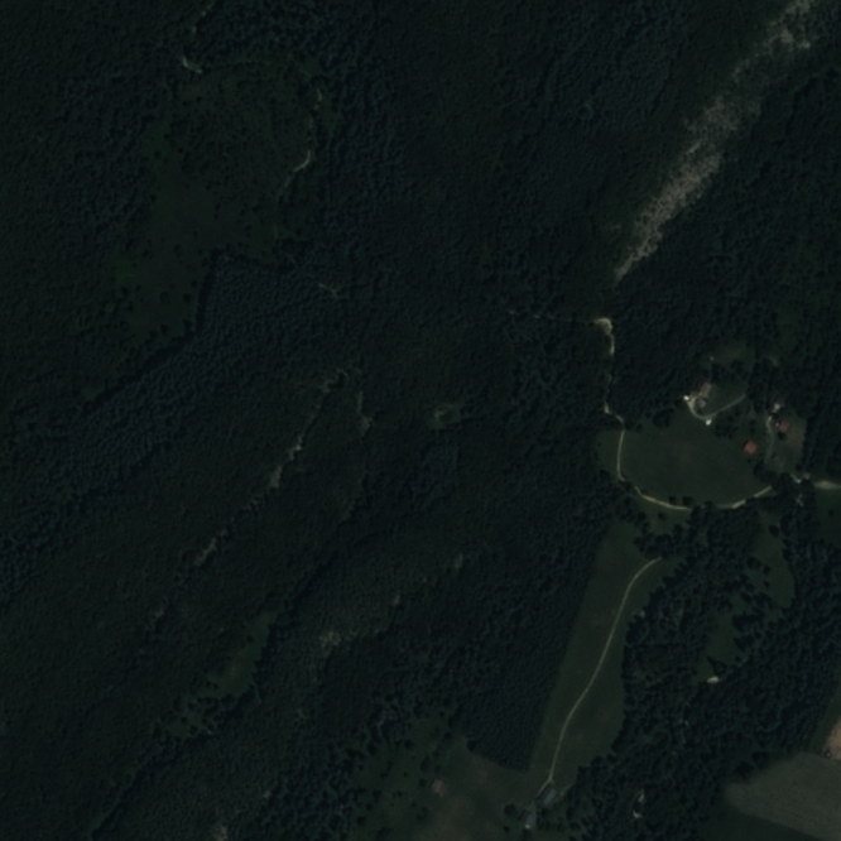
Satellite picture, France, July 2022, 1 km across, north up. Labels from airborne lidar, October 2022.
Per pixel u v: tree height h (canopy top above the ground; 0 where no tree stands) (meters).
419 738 0
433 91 13
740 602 0
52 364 18
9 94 15
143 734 19
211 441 17
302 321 23
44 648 18
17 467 20
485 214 21
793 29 10
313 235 24
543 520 25
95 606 16
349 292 10
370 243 25
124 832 21
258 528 20
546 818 12
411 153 25
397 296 20
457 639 22
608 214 13
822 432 17
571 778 0
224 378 20
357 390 20
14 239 19
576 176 18
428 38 24
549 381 26
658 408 20
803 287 6
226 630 9
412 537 15
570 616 26
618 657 0
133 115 18
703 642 33
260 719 23
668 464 0
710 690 20
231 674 0
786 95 21
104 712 21
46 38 19
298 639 16
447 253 23
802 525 20
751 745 19
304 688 15
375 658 22
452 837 0
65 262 17
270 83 6
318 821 29
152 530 13
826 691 30
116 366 15
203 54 21
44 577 17
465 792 0
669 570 0
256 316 24
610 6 14
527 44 19
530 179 23
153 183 15
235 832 19
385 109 22
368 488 17
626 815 25
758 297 21
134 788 16
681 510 0
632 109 31
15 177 22
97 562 15
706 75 15
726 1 18
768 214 23
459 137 14
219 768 19
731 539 21
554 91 11
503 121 13
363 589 12
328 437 14
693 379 7
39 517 23
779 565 0
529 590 24
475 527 16
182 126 12
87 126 30
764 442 0
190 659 18
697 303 23
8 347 13
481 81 15
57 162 21
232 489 15
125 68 33
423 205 19
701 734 21
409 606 17
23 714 16
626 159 21
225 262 26
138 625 16
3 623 20
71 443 28
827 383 14
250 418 14
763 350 9
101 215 31
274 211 12
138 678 19
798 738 32
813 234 19
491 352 29
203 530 14
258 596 23
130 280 0
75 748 18
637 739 18
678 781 13
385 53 27
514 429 21
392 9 28
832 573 27
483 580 21
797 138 22
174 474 16
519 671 28
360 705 25
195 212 0
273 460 14
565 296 22
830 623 30
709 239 25
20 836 14
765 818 0
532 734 25
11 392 25
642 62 33
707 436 0
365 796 12
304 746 21
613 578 0
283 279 28
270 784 14
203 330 26
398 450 19
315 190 16
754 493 0
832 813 0
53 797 18
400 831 0
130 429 23
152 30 24
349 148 27
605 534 17
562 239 18
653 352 19
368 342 21
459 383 18
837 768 0
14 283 17
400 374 19
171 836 20
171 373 28
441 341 13
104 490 23
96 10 26
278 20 31
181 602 19
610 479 23
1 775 16
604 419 16
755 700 21
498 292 24
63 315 24
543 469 13
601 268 15
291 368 13
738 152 9
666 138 13
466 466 25
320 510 21
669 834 10
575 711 0
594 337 14
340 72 30
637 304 23
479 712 26
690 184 0
